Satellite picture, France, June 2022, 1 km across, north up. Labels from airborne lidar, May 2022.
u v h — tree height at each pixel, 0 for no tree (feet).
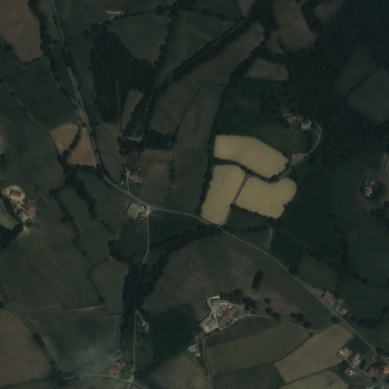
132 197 0
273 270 0
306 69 30
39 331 0
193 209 0
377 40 32
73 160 0
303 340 0
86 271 0
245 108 0
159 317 0
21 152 0
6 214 0
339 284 23
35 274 0
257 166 0
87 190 45
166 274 0
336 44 54
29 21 0
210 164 27
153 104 34
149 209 0
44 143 0
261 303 0
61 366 0
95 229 0
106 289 0
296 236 0
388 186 0
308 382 0
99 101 49
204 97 0
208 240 0
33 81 0
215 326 0
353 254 0
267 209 0
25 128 0
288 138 0
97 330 0
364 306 0
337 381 0
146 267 57
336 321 48
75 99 0
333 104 47
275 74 0
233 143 0
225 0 0
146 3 0
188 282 0
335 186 0
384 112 0
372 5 28
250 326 0
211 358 0
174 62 0
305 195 0
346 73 0
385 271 0
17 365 0
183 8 35
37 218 0
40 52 0
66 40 27
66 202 0
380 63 19
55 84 0
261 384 0
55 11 0
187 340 0
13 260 0
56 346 0
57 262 0
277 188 0
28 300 0
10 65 0
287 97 55
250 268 0
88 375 0
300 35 0
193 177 0
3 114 0
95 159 0
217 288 0
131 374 0
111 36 74
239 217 0
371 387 0
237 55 0
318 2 40
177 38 0
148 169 0
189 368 0
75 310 0
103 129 0
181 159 0
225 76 0
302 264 0
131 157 0
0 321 0
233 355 0
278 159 0
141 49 0
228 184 0
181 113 0
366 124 44
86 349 0
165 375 0
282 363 0
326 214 0
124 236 0
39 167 0
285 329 0
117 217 0
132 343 0
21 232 33
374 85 0
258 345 0
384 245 0
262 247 0
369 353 0
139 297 41
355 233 0
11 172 0
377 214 55
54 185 0
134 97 0
